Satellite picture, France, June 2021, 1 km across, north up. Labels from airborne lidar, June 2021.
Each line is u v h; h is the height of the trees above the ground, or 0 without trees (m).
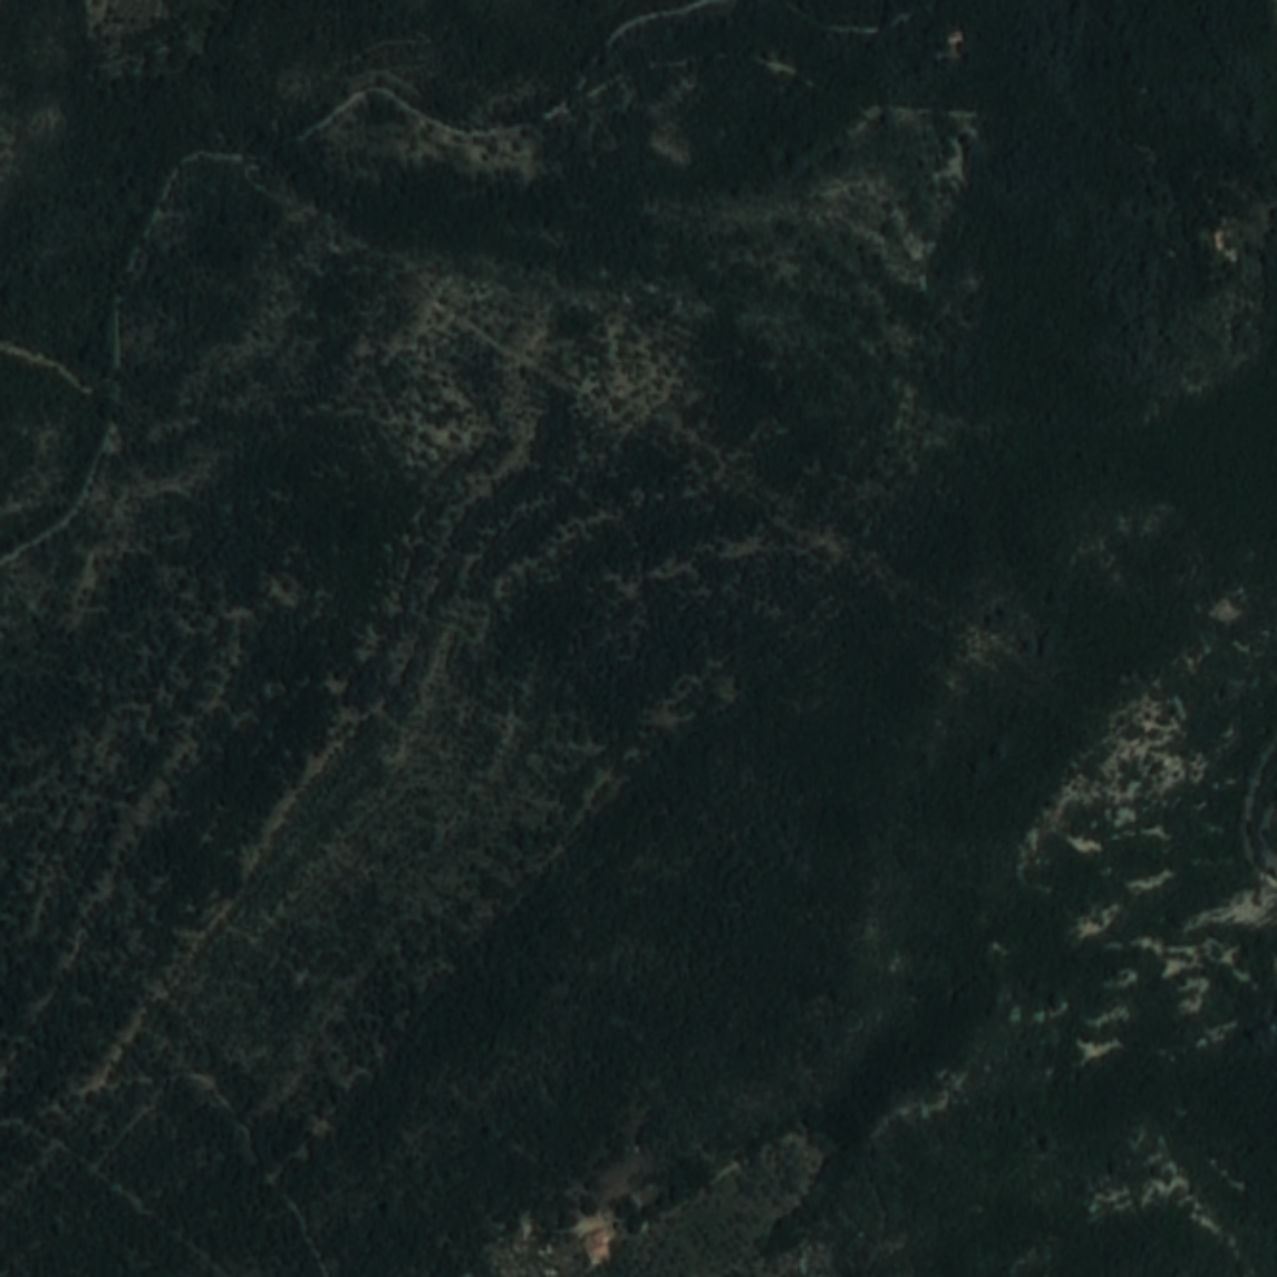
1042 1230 7
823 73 11
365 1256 9
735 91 13
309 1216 8
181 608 8
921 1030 21
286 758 8
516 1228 10
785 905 8
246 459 8
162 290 9
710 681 9
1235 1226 12
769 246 6
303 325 6
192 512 6
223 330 8
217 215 7
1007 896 12
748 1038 8
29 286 7
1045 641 17
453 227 7
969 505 9
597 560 10
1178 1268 11
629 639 11
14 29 6
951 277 9
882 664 10
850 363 8
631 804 8
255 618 7
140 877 10
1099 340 10
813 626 6
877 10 7
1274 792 8
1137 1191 6
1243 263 7
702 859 9
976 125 6
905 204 6
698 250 5
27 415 6
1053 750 15
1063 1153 8
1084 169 12
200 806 8
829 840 8
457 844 6
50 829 6
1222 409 9
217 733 12
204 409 6
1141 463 11
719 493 6
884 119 11
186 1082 8
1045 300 11
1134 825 9
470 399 6
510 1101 8
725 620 9
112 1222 6
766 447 8
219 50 13
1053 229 12
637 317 6
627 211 8
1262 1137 13
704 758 11
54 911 9
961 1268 6
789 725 7
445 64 8
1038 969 16
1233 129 15
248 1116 10
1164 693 7
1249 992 12
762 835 14
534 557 9
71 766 10
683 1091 6
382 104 9
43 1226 7
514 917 7
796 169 21
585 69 15
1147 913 12
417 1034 11
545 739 6
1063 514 7
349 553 9
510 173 10
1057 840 8
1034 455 10
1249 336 17
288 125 9
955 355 6
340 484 9
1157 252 15
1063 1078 12
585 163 6
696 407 7
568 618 10
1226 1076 14
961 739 8
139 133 15
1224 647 10
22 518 6
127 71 9
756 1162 9
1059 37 12
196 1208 6
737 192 10
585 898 7
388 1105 9
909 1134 6
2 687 10
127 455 9
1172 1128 12
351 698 11
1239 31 11
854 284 6
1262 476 12
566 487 9
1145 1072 11
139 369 6
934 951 11
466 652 9
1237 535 8
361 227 8
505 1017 11
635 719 7
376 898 6
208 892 8
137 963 7
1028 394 10
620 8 7
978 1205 6
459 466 8
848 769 7
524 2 6
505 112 7
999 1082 7
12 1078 6
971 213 10
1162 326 10
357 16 14
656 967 6
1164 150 10
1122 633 12
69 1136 8
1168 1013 7
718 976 8
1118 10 8
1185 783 5
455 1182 10
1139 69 8
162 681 7
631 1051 6
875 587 8
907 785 9
